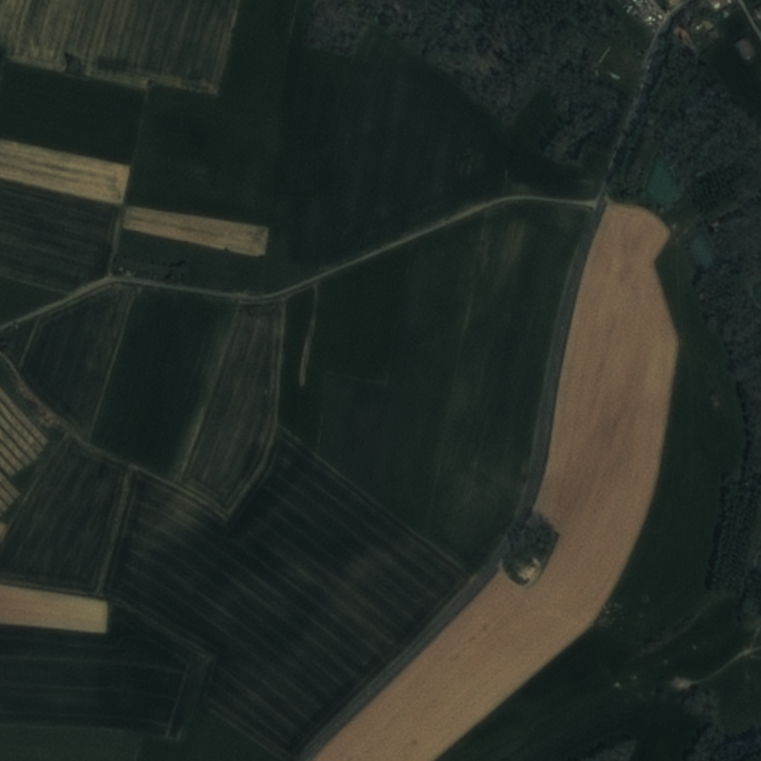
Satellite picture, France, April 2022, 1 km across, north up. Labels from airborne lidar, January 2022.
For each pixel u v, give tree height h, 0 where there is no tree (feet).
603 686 0
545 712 0
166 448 0
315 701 0
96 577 0
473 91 96
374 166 0
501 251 0
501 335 0
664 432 0
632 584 0
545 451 0
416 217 0
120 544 0
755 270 77
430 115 0
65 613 0
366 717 0
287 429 0
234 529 0
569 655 0
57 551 0
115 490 0
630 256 0
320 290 0
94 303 0
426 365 0
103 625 0
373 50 0
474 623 0
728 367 0
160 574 0
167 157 0
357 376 0
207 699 0
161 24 0
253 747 0
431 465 0
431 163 0
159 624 0
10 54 0
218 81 0
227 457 0
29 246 0
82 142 0
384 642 0
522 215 0
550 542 76
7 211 0
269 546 0
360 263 0
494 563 0
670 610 0
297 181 0
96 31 0
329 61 0
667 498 0
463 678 0
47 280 0
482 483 0
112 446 0
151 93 0
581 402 0
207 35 0
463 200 0
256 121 0
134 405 0
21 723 0
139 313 0
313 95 0
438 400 0
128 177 0
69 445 0
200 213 0
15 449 0
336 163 0
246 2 0
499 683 0
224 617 0
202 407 0
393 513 0
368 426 0
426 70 0
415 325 0
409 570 0
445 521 0
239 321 0
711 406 0
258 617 0
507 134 0
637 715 0
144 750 0
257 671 0
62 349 0
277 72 0
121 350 0
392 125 0
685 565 0
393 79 0
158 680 0
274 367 0
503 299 0
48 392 0
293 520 0
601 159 0
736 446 0
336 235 0
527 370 0
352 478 0
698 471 0
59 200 0
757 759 84
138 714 0
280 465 0
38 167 0
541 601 0
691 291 0
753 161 79
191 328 0
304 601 0
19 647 0
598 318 0
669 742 0
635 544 0
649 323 0
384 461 0
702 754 67
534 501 0
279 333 0
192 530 0
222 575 0
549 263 0
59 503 0
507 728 0
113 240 0
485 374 0
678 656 0
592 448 0
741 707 0
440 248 0
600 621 0
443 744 0
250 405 0
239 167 0
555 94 60
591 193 0
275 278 0
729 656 0
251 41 0
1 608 0
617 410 0
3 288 0
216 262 0
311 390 0
